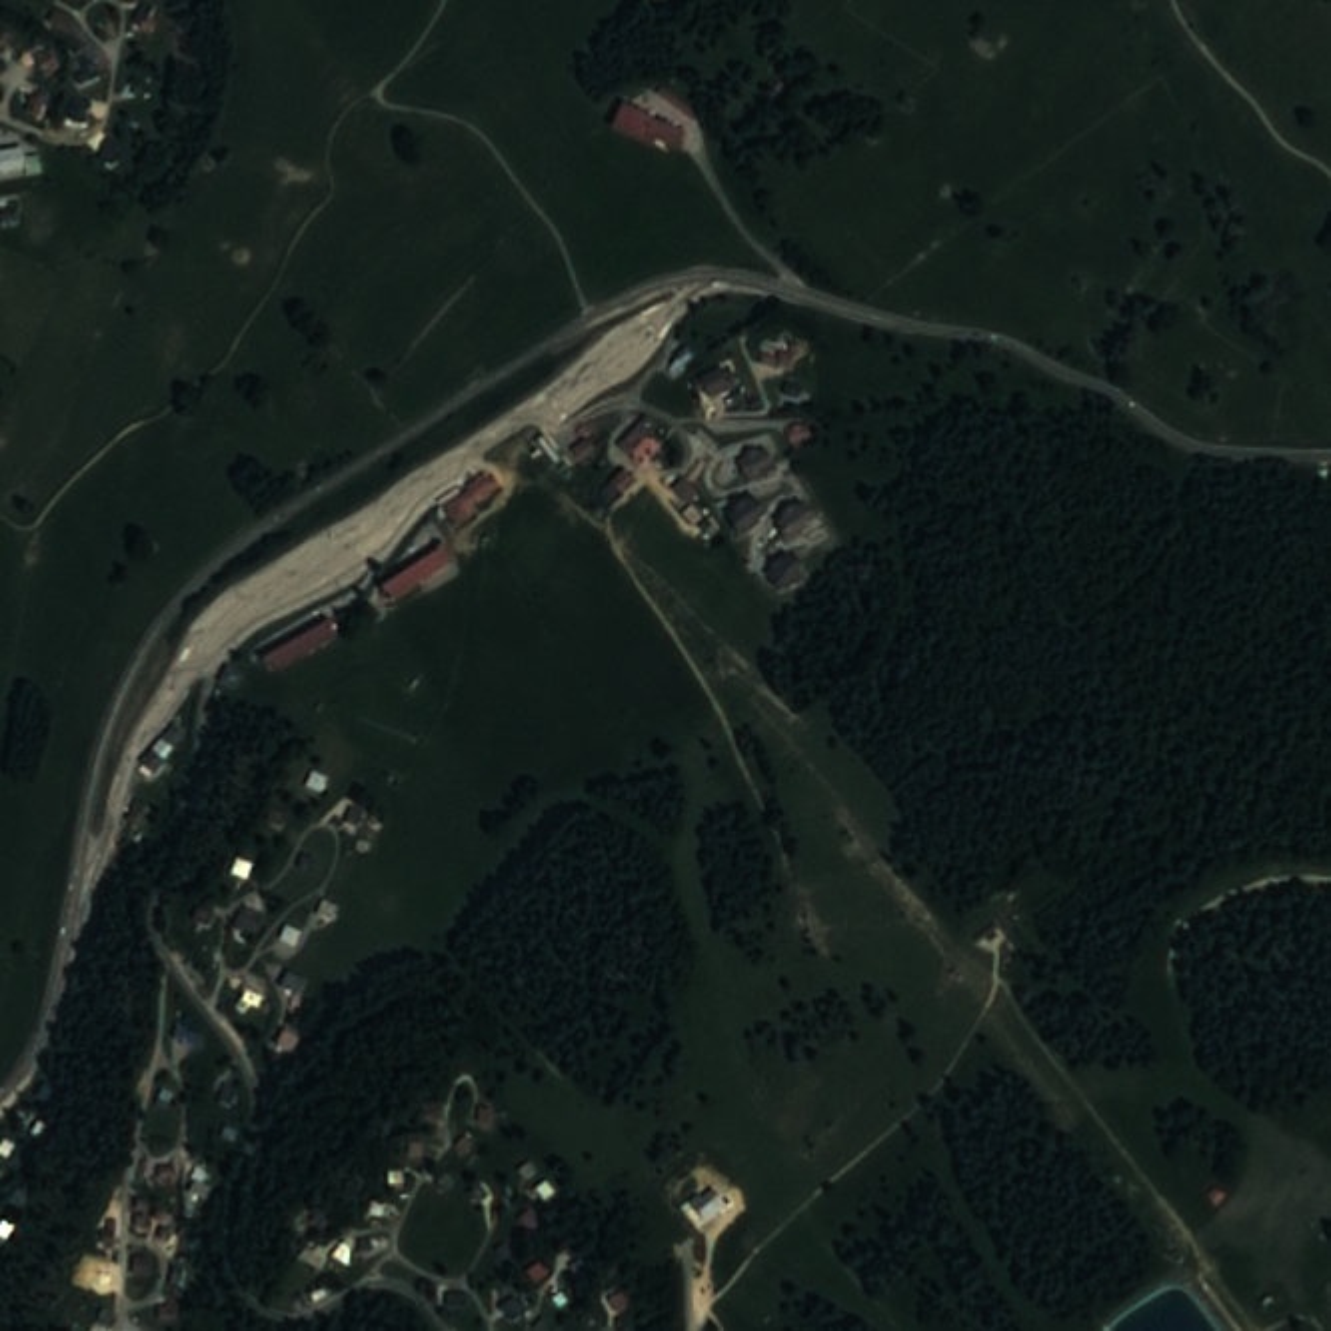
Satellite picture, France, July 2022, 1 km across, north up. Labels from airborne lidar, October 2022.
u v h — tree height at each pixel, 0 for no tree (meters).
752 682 0
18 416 0
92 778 0
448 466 0
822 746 0
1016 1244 14
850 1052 0
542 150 0
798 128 24
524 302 0
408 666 0
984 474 23
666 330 0
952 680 21
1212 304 14
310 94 0
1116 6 0
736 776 0
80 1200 21
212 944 0
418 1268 0
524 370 0
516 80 0
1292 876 0
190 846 20
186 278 0
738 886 16
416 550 0
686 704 0
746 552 0
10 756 15
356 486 0
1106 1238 23
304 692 0
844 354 0
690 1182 0
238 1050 0
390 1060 9
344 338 0
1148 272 0
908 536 9
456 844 0
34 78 0
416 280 0
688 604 0
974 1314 10
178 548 0
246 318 0
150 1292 0
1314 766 12
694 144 0
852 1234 15
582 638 0
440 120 0
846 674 8
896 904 0
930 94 0
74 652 0
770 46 17
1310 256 0
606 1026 25
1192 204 0
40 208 0
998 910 0
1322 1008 24
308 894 0
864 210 0
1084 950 23
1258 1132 0
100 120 0
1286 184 0
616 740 0
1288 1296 0
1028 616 11
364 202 0
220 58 22
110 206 6
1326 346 0
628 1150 0
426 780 0
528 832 0
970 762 16
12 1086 0
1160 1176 0
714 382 0
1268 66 0
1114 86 0
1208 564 9
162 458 0
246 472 16
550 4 0
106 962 17
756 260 0
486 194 0
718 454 0
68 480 0
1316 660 10
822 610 10
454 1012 20
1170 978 0
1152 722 22
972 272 0
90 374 0
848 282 0
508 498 0
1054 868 7
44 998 0
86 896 0
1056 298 0
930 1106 17
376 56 0
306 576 0
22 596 0
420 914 0
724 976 0
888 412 16
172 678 0
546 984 23
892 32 0
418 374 0
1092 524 12
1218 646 15
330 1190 16
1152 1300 0
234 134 0
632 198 0
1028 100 0
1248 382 0
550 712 0
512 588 0
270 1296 8
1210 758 19
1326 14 0
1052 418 8
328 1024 9
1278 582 15
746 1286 0
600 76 16
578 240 0
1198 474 10
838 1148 0
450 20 0
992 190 0
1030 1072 0
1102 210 0
